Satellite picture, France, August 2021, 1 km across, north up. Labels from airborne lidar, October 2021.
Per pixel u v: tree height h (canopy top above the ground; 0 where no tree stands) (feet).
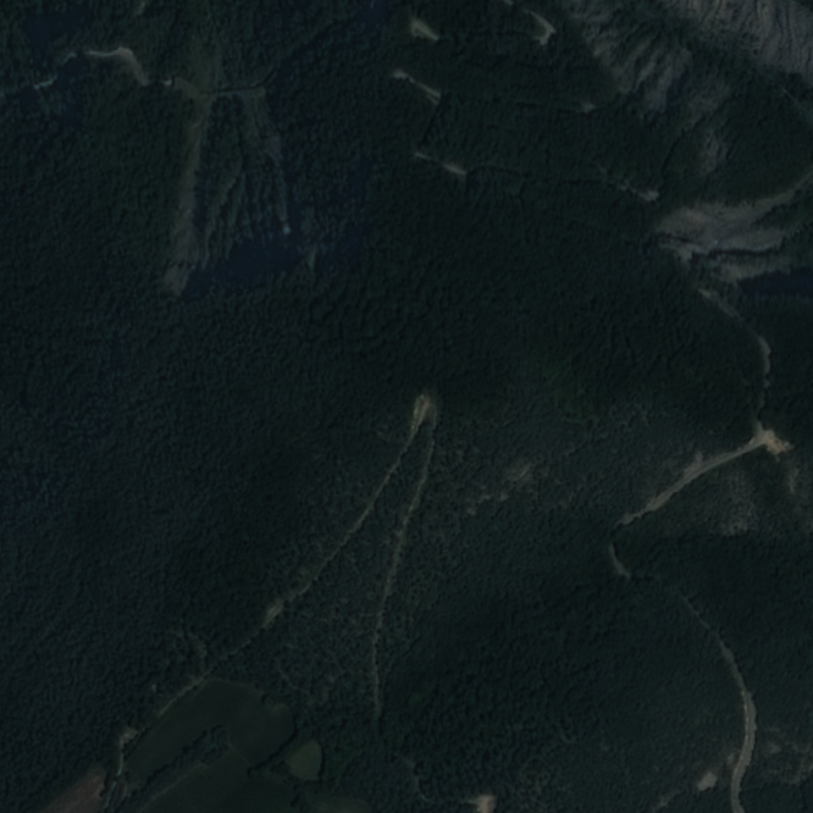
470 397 45
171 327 33
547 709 41
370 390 33
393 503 40
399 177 90
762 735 23
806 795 45
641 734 34
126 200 69
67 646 50
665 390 29
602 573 72
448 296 67
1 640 46
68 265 57
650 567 70
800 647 46
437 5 45
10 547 61
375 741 72
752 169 44
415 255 91
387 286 90
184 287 0
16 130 59
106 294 57
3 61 36
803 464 28
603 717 37
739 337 53
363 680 26
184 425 50
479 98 62
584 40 51
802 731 20
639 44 20
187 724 0
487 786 67
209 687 0
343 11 44
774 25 0
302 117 39
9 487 20
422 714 44
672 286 52
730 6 19
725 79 19
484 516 41
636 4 53
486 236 84
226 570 44
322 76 72
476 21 34
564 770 31
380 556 36
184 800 0
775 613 54
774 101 77
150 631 58
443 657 50
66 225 73
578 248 64
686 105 29
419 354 70
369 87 58
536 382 40
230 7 32
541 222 78
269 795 0
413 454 54
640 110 40
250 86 0
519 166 60
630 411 30
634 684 36
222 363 46
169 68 37
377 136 67
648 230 51
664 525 36
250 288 33
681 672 30
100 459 65
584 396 31
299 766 0
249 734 0
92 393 32
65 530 52
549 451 28
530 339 36
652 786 24
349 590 39
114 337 27
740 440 21
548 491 31
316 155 53
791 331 38
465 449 48
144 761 0
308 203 18
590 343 38
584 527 43
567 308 69
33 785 63
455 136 82
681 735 26
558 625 77
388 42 45
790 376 66
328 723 51
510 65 93
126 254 52
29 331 60
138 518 43
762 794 45
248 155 35
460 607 42
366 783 45
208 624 35
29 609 49
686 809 28
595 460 36
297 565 45
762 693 49
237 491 33
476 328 60
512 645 47
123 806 32
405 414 28
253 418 39
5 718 55
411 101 75
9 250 61
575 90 82
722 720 24
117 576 59
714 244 0
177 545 43
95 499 61
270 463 31
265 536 26
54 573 59
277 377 45
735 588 63
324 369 56
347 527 54
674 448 27
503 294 78
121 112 65
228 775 0
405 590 38
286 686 64
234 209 19
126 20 41
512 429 33
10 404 43
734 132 38
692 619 59
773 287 0
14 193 52
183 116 24
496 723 40
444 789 68
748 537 64
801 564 67
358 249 35
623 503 35
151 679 66
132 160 67
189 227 0
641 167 73
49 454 37
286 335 68
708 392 40
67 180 75
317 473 32
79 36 41
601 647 74
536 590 48
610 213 75
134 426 60
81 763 65
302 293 66
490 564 44
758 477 25
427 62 69
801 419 44
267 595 28
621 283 57
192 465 62
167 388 47
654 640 55
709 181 25
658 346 45
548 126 75
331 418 29
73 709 52
